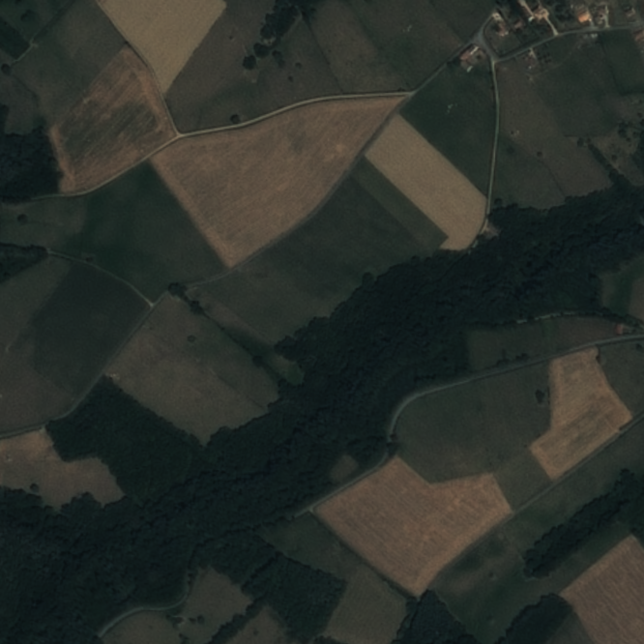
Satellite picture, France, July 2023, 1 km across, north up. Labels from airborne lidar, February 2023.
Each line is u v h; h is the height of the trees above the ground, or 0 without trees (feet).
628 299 0
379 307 50
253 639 0
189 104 0
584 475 0
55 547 83
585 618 0
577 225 52
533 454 0
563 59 0
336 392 98
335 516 0
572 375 0
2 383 0
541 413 0
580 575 0
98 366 0
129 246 0
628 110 0
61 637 66
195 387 0
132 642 0
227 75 0
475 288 90
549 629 40
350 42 0
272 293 0
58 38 0
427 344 67
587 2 0
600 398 0
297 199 0
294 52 0
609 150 0
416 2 0
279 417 55
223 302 0
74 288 0
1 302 0
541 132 0
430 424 0
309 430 62
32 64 0
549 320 0
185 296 58
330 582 52
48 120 0
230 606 0
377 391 41
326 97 0
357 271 0
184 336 0
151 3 0
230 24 0
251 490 71
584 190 0
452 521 0
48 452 0
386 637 0
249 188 0
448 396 0
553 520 0
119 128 0
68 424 28
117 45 0
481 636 0
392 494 0
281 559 55
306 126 0
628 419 0
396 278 38
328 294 0
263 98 0
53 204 0
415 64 0
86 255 0
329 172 0
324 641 28
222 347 0
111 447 26
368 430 54
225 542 68
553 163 0
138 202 0
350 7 0
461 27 0
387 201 0
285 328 0
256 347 0
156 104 0
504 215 61
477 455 0
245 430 46
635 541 0
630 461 0
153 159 0
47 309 0
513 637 59
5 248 60
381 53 0
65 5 0
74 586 94
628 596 0
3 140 63
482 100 0
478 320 54
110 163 0
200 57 0
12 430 0
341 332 57
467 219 0
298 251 0
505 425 0
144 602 32
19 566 73
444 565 0
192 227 0
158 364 0
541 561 30
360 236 0
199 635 0
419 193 0
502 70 0
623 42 0
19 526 97
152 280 0
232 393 0
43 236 0
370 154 0
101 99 0
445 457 0
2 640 94
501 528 0
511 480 0
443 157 0
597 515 33
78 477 0
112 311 0
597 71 0
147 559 82
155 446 27
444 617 82
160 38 0
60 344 0
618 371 0
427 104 0
